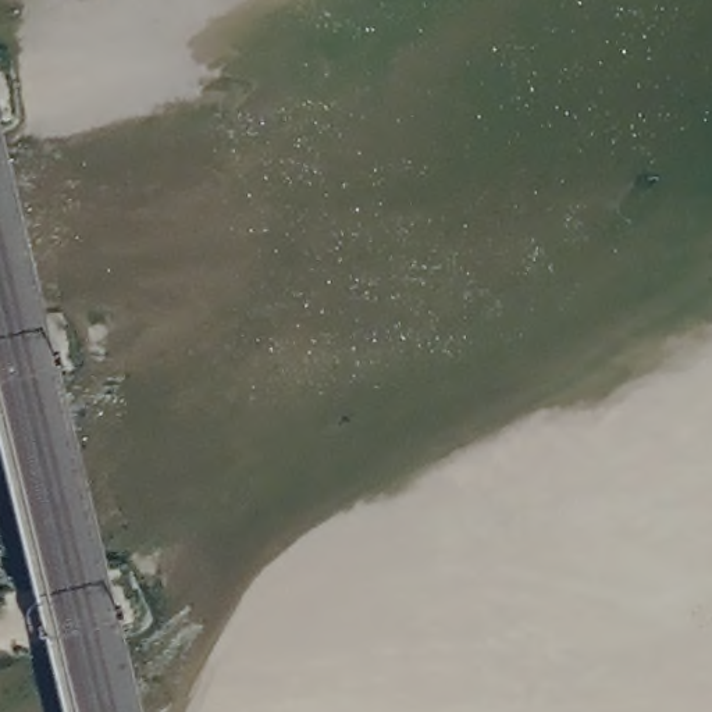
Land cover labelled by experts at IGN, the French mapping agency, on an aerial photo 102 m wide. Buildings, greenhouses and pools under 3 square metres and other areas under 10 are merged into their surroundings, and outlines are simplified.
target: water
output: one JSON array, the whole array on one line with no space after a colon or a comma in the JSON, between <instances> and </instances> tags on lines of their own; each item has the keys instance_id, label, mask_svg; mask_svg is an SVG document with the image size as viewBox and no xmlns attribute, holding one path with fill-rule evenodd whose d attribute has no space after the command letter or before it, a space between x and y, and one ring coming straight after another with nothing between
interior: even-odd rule
<instances>
[{"instance_id":1,"label":"water","mask_svg":"<svg viewBox=\"0 0 712 712\"><path fill-rule=\"evenodd\" d=\"M0 712L61 712L47 645L45 640L28 642L11 645L8 654L0 651Z\"/></svg>"},{"instance_id":2,"label":"water","mask_svg":"<svg viewBox=\"0 0 712 712\"><path fill-rule=\"evenodd\" d=\"M0 462L0 606L6 601L6 592L17 592L31 587L31 576Z\"/></svg>"},{"instance_id":3,"label":"water","mask_svg":"<svg viewBox=\"0 0 712 712\"><path fill-rule=\"evenodd\" d=\"M375 498L392 498L409 490L412 481L423 476L428 467L445 462L456 451L464 451L498 434L515 420L523 420L540 409L601 406L617 387L640 378L634 370L640 367L640 359L651 356L668 337L684 334L690 325L698 323L712 323L712 0L245 0L239 8L209 19L209 25L189 39L192 58L197 64L220 70L220 78L203 83L197 100L164 103L159 114L120 120L75 136L28 136L8 142L14 178L31 184L25 195L25 217L31 220L28 234L39 270L39 295L45 300L45 314L50 314L64 314L67 320L70 359L75 364L72 370L67 392L72 395L72 409L78 412L78 445L86 464L95 512L100 520L106 559L111 562L111 567L117 567L131 562L134 553L147 556L159 548L161 562L156 565L153 576L153 584L145 592L153 620L145 634L131 637L128 651L134 659L136 681L145 693L147 712L186 712L192 687L203 665L209 662L220 634L225 631L228 620L234 617L242 595L270 562L275 562L303 534L309 534L312 528L331 520L339 512L353 509L359 501L367 503Z\"/></svg>"},{"instance_id":4,"label":"water","mask_svg":"<svg viewBox=\"0 0 712 712\"><path fill-rule=\"evenodd\" d=\"M19 0L0 0L0 50L14 53L19 58Z\"/></svg>"}]
</instances>

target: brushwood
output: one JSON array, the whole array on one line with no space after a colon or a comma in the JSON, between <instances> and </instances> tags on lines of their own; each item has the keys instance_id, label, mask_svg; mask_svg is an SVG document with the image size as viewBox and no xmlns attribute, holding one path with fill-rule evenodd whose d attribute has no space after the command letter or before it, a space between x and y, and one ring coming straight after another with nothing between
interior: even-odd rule
<instances>
[{"instance_id":1,"label":"brushwood","mask_svg":"<svg viewBox=\"0 0 712 712\"><path fill-rule=\"evenodd\" d=\"M122 623L122 637L131 637L145 634L153 620L145 592L153 584L153 576L145 576L131 562L117 567L120 587L134 606L134 623Z\"/></svg>"},{"instance_id":2,"label":"brushwood","mask_svg":"<svg viewBox=\"0 0 712 712\"><path fill-rule=\"evenodd\" d=\"M0 50L0 72L8 89L11 114L17 114L17 125L11 131L3 131L8 142L28 136L19 58L14 53Z\"/></svg>"}]
</instances>

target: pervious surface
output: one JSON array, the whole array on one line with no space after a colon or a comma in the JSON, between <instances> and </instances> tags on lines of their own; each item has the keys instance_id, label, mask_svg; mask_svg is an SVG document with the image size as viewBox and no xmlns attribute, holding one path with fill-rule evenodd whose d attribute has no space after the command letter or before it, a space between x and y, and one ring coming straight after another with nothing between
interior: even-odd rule
<instances>
[{"instance_id":1,"label":"pervious surface","mask_svg":"<svg viewBox=\"0 0 712 712\"><path fill-rule=\"evenodd\" d=\"M0 131L0 392L6 401L22 484L28 492L39 551L53 592L53 609L61 629L67 668L81 712L147 712L145 693L136 681L134 659L128 651L131 637L122 637L122 623L122 609L108 587L111 567L111 562L106 559L100 520L95 512L86 464L78 445L78 412L72 409L72 395L67 392L72 370L64 370L58 348L47 334L50 314L45 314L45 300L39 295L39 270L28 234L31 220L25 217L25 195L31 184L14 178L8 142L3 131Z\"/></svg>"}]
</instances>

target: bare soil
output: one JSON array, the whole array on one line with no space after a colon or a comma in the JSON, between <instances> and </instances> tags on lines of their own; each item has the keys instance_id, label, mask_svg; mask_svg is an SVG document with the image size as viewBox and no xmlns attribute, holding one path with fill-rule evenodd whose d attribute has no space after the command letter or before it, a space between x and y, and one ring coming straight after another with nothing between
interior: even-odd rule
<instances>
[{"instance_id":1,"label":"bare soil","mask_svg":"<svg viewBox=\"0 0 712 712\"><path fill-rule=\"evenodd\" d=\"M159 548L147 556L134 553L131 562L145 576L153 576L156 565L161 562Z\"/></svg>"},{"instance_id":2,"label":"bare soil","mask_svg":"<svg viewBox=\"0 0 712 712\"><path fill-rule=\"evenodd\" d=\"M0 651L8 654L11 645L28 642L25 620L17 606L17 592L6 592L6 601L0 606Z\"/></svg>"},{"instance_id":3,"label":"bare soil","mask_svg":"<svg viewBox=\"0 0 712 712\"><path fill-rule=\"evenodd\" d=\"M239 8L245 0L19 0L19 58L28 136L75 136L120 120L159 114L164 103L197 100L203 83L220 78L220 70L197 64L192 58L189 39L209 25L209 19Z\"/></svg>"},{"instance_id":4,"label":"bare soil","mask_svg":"<svg viewBox=\"0 0 712 712\"><path fill-rule=\"evenodd\" d=\"M445 462L428 467L423 476L412 481L409 490L392 498L375 498L367 503L359 501L353 509L339 512L331 520L312 528L309 534L303 534L275 562L270 562L242 595L234 617L228 620L225 631L220 634L209 662L203 665L192 687L186 712L712 712L712 323L698 323L690 325L684 334L668 337L651 356L640 359L640 367L634 370L640 378L617 387L601 406L540 409L523 420L515 420L498 434L464 451L456 451Z\"/></svg>"}]
</instances>

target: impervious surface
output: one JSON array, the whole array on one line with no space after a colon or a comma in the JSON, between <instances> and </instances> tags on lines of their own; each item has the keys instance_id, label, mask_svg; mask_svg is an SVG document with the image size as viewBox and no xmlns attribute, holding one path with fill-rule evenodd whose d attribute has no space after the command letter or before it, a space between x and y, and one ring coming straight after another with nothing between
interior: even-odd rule
<instances>
[{"instance_id":1,"label":"impervious surface","mask_svg":"<svg viewBox=\"0 0 712 712\"><path fill-rule=\"evenodd\" d=\"M117 567L111 567L108 587L122 609L122 623L134 623L134 606L120 587Z\"/></svg>"},{"instance_id":2,"label":"impervious surface","mask_svg":"<svg viewBox=\"0 0 712 712\"><path fill-rule=\"evenodd\" d=\"M22 484L6 401L0 392L0 462L31 576L31 587L17 592L17 606L25 620L28 642L45 640L47 645L61 712L81 712L67 668L61 629L53 609L53 592L39 551L28 492Z\"/></svg>"},{"instance_id":3,"label":"impervious surface","mask_svg":"<svg viewBox=\"0 0 712 712\"><path fill-rule=\"evenodd\" d=\"M72 370L75 364L70 359L67 320L64 314L50 314L47 334L58 348L64 370Z\"/></svg>"},{"instance_id":4,"label":"impervious surface","mask_svg":"<svg viewBox=\"0 0 712 712\"><path fill-rule=\"evenodd\" d=\"M17 125L17 114L11 114L8 89L0 72L0 131L3 131L11 131Z\"/></svg>"}]
</instances>

